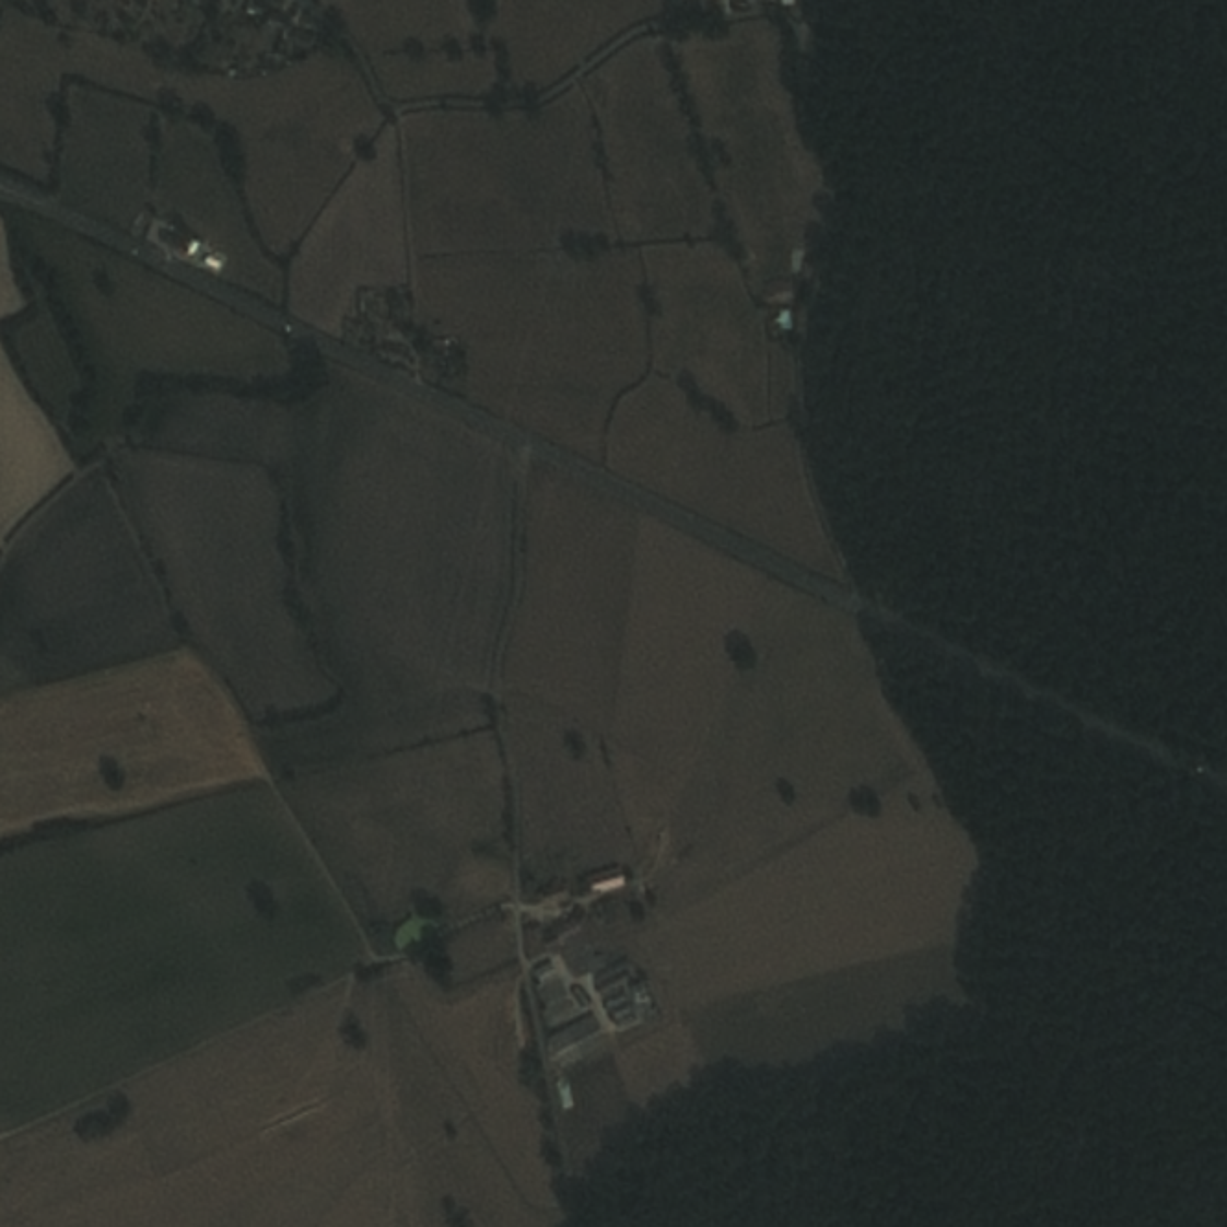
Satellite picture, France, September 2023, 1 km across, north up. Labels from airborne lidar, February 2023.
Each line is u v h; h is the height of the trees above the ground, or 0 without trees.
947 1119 22
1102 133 23
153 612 0
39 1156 0
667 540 0
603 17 0
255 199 0
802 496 0
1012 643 20
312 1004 0
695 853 0
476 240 0
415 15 0
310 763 0
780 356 0
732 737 0
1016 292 16
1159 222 22
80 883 0
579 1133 0
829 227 13
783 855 0
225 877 0
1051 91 23
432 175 0
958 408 16
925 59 15
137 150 0
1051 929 21
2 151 0
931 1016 11
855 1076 19
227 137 17
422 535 0
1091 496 22
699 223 0
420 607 0
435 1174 0
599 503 0
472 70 0
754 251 0
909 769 0
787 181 0
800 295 18
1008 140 17
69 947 0
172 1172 0
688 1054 0
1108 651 26
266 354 0
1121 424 23
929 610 17
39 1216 0
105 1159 0
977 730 21
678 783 0
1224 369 26
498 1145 0
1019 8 21
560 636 0
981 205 14
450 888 0
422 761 0
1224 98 25
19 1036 0
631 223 0
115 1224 0
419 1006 0
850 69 22
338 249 0
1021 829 22
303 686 0
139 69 0
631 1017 0
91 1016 0
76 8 12
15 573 0
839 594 0
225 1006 0
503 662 0
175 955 0
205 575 0
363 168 0
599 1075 0
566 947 0
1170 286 21
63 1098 0
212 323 0
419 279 0
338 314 0
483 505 0
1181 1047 22
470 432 0
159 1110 0
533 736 0
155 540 0
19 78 0
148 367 0
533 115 10
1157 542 25
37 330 0
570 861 0
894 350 16
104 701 0
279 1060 0
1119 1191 19
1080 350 15
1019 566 14
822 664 0
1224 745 22
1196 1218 22
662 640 0
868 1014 0
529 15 0
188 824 0
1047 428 22
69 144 0
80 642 0
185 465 0
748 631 0
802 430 17
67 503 0
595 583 0
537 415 0
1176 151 24
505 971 0
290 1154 0
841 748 0
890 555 22
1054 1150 17
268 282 0
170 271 0
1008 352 18
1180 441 27
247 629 0
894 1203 22
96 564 0
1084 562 6
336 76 0
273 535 0
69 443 8
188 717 0
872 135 20
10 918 0
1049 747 25
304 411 0
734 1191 21
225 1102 0
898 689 15
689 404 17
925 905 0
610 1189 19
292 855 0
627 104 0
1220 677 25
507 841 9
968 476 19
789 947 0
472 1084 0
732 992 0
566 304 0
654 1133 8
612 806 0
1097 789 22
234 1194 0
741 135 0
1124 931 18
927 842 0
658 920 0
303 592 9
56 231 0
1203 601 25
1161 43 26
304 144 0
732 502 0
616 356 0
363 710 0
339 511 0
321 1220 0
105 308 0
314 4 11
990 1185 21
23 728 0
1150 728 7
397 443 0
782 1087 14
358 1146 0
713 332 0
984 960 22
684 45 0
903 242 20
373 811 0
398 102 0
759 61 0
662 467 0
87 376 10
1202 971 22
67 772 0
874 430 18
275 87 0
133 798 0
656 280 0
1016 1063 22
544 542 0
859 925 0
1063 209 15
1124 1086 13
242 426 0
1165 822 21
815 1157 19
